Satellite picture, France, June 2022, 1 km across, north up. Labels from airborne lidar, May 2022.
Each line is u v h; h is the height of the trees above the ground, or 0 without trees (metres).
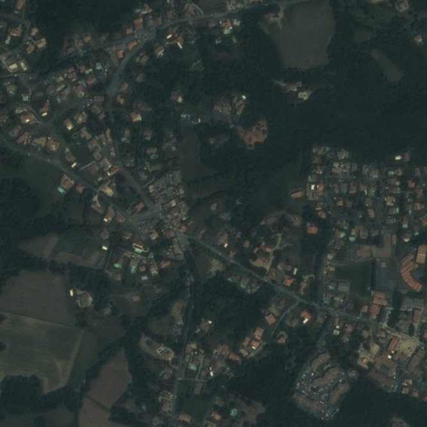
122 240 11
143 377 9
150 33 0
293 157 8
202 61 10
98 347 0
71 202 8
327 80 21
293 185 0
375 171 0
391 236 0
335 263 0
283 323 19
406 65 18
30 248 0
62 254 0
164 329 0
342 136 23
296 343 15
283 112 30
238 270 23
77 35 0
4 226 31
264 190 0
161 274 15
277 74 23
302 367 9
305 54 0
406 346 0
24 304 0
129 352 21
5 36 6
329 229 17
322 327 10
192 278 0
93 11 25
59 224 12
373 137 22
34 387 27
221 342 9
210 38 12
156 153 6
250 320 20
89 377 19
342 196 9
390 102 16
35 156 0
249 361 19
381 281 0
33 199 10
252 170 25
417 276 0
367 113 24
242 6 0
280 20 0
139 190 0
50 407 24
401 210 7
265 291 18
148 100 7
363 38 0
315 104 23
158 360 8
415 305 0
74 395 21
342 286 0
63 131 0
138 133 6
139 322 13
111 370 0
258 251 8
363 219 10
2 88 9
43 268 15
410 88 22
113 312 16
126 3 20
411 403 25
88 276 22
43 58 21
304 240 13
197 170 0
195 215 0
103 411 0
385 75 19
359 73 30
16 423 0
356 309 8
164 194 6
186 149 0
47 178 0
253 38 21
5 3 8
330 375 0
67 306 0
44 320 0
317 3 0
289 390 19
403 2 0
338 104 24
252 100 27
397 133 20
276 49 12
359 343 12
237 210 17
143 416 12
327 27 0
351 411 10
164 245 14
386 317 0
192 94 17
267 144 19
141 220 0
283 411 26
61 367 0
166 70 21
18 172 0
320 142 16
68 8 18
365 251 0
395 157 0
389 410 23
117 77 0
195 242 19
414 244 13
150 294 0
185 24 8
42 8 20
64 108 0
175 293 11
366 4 20
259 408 0
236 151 17
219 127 14
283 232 10
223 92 29
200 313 9
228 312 22
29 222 6
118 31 10
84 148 0
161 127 15
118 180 14
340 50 27
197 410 0
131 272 0
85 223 7
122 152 9
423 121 20
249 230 9
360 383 22
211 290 21
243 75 21
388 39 11
